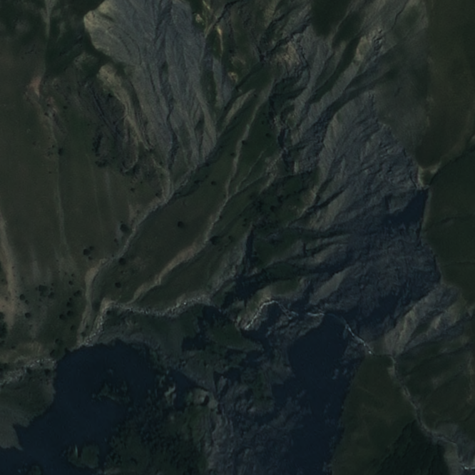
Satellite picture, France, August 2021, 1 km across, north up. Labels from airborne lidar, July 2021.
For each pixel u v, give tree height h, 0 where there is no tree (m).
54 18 0
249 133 0
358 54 0
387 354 0
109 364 0
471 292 0
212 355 0
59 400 0
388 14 0
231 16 0
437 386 0
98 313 0
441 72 0
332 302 0
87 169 0
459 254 0
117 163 0
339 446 0
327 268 0
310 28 0
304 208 0
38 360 0
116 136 0
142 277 0
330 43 0
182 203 0
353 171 0
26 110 0
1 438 0
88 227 0
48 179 0
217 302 0
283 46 0
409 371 0
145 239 0
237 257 0
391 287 0
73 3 0
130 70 0
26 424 0
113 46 0
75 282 0
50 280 0
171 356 0
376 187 0
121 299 0
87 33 0
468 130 0
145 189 0
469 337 0
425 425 0
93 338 0
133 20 0
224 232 0
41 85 0
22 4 0
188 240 0
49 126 0
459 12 0
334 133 0
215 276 0
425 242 0
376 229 0
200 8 0
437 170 0
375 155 0
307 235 0
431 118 0
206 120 0
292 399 0
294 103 0
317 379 0
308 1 0
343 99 0
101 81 0
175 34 0
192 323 0
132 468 0
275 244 8
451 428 0
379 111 0
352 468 0
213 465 0
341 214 0
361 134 0
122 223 6
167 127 0
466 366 0
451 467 0
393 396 0
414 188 0
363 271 0
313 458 0
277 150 0
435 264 0
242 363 0
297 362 0
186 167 0
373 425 0
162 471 0
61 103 0
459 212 0
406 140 0
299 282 0
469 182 0
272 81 0
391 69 0
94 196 0
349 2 0
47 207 0
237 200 0
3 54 0
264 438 0
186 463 7
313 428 0
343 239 0
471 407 0
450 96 0
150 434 8
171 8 0
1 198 0
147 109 0
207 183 0
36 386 0
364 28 0
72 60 0
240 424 0
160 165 7
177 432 0
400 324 0
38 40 0
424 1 0
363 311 0
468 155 0
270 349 0
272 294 0
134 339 0
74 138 0
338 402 0
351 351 0
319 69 0
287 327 0
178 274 0
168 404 0
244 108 0
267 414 0
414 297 0
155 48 0
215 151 0
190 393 0
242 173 0
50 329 0
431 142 0
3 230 0
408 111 0
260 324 0
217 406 0
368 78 0
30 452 0
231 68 0
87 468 0
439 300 0
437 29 0
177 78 0
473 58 0
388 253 0
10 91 0
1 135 0
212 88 0
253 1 0
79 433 0
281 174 0
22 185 0
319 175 0
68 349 0
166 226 0
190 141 0
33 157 0
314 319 0
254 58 0
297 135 0
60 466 6
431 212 0
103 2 0
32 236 0
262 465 0
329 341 0
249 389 0
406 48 0
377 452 0
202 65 0
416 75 0
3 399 0
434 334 0
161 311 0
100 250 0
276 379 0
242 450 0
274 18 0
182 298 0
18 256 0
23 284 0
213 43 0
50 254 0
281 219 0
